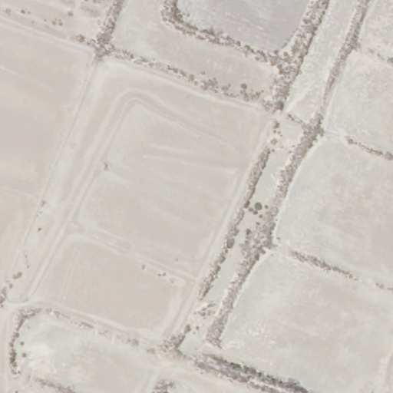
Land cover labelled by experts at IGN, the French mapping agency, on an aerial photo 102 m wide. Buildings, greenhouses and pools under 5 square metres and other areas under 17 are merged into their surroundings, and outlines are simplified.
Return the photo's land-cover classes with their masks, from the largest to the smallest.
<instances>
[{"label":"pervious surface","instance_id":"1","mask_svg":"<svg viewBox=\"0 0 393 393\"><path fill-rule=\"evenodd\" d=\"M115 0H0V393H58L52 388L41 387L35 382V378L57 382L64 387H71L77 393H264L235 379L204 372L190 361H181L175 353L161 352L163 341H170L172 336L180 335L186 329V325H190V332L181 344V352L186 355L213 353L227 361L256 368L264 375H272L273 378L282 381L296 382L313 393H393V161L368 154L367 150H362L355 144H348L347 140L353 138L373 149L393 154V0H372L359 31V48L348 55L344 69L330 94L327 111L322 120L324 135L316 138L312 149L307 152L296 169L286 198L282 200L275 218L272 247L264 250L263 255L259 256L252 272L236 295L232 313L221 333V347H216L207 341V330L220 318L224 301L232 289V281L238 278V273L241 272L244 256L241 253V244L244 243L246 235H252L258 218L255 213L261 210V204H269L278 192L281 170H286L289 166L296 146L301 143L304 135L301 127L287 120V115H295L299 120L309 124L318 114L330 72L338 60L345 37L352 31L353 18L358 11V0H330L327 14L316 31L309 54L304 58L301 74L296 77L290 88L284 109L272 114L264 111L263 106L267 101H275L279 89L273 83V78H279L281 74L276 66L256 60L253 54H244L246 46H252L253 49H259L266 54L279 51V57H284L286 52L289 54L296 38L305 29L304 20L310 17V9L316 0H178V9L184 21H189L198 28L223 31L226 37L241 41L239 46H218L207 40H196L193 35L183 34L173 28V23L164 21L161 11L164 9V0H124L111 38L115 48L127 49L134 54L150 58L152 63L167 64L183 71L190 68L198 72L206 71L207 80H216V83L223 86L230 84L233 92L247 88V94L261 92V97L247 101L244 98L224 97L223 91L213 94L203 89L200 91L181 75L173 72L164 74L157 69L146 68L143 64L132 63L130 60H115L107 55L103 61H98L94 49L71 38L74 35H84L91 40L97 38L109 23L106 14L114 6ZM266 149L273 150V154H270L252 201H246L252 183L250 173L253 172L259 155ZM243 204L244 207L255 206V212L244 215L243 223L238 227L235 244L227 253L218 278L213 281L212 289L204 301H198L204 279L209 278L210 272L215 269V261L220 258L221 250L226 246L229 226ZM292 250L350 270L353 273L352 279L345 278L341 273L313 266L312 263L299 261L290 255ZM20 309H40L41 313L35 318L26 319L21 327L20 336L25 345L15 347L17 370H21V375H12L9 341L14 335Z\"/></svg>","mask_w":393,"mask_h":393},{"label":"brushwood","instance_id":"2","mask_svg":"<svg viewBox=\"0 0 393 393\"><path fill-rule=\"evenodd\" d=\"M124 0H115L114 6L106 14L109 23L97 38L91 40L84 35H74L71 38L94 49L98 61H103L107 55L115 60H130L132 63L143 64L146 68L157 69L164 74L173 72L181 75L200 91L203 89L213 94L223 91L224 97L244 98L247 101L261 97V92L247 94V88L233 92L230 84L223 86L216 83V80H207L206 71L198 72L190 68L183 71L167 64L152 63L150 58L134 54L127 49L115 48L111 38ZM164 21L173 23V28L183 34L193 35L196 40H207L218 46H239L241 41L226 37L223 31L198 28L189 21H184L178 9V0H164V9L161 11ZM330 0H316L310 9V17L304 20L305 29L296 38L289 54L286 52L284 57H279V51L266 54L259 49H253L252 46H246L244 54H253L256 60L276 66L281 74L279 78H273V83L279 89L275 101H267L263 106L264 111L272 114L284 109L290 88L296 77L301 74L304 58L309 54L316 31L327 14ZM372 0H358V11L353 18L352 31L345 37L338 60L330 72L318 114L309 124L299 120L295 115H287V120L301 127L304 135L301 143L296 146L289 166L286 170H281L278 192L269 204H261V210L255 213L258 218L252 235H246L244 243L241 244V253L244 256L241 272L238 273V278L232 281V289L224 301L220 318L207 330V341L216 347H221V333L232 313L236 295L252 272L259 256L263 255L264 250L272 247L275 218L282 200L286 198L296 169L307 152L312 149L316 138L324 135L322 120L327 111L330 94L344 69L348 55L359 48V31ZM348 144H355L362 150H367L368 154L393 161V154L373 149L353 138L347 140ZM270 154H273V150L266 149L259 155L253 172L250 173L252 183L246 201H252ZM255 212V206L244 207L243 204L229 226L226 246L221 250L220 258L215 261V269L210 272L209 278L204 279L198 301H204L212 289L213 281L218 278L227 253L235 244L238 227L243 223L244 215ZM290 255L299 261L312 263L313 266L341 273L345 278L352 279L353 273L350 270L292 250ZM41 313L40 309H20L14 335L9 341L12 375H21V370H17L15 347L25 345L20 336L21 327L26 319L35 318ZM190 332V325H186V329L180 335L172 336L170 341H163L161 352L175 353L181 361H190L204 372L235 379L264 393H313L296 382L282 381L273 378L272 375H264L256 368L227 361L213 353L186 355L181 352V344ZM35 382L41 387L52 388L58 393H77L71 387H64L57 382L35 378Z\"/></svg>","mask_w":393,"mask_h":393}]
</instances>
